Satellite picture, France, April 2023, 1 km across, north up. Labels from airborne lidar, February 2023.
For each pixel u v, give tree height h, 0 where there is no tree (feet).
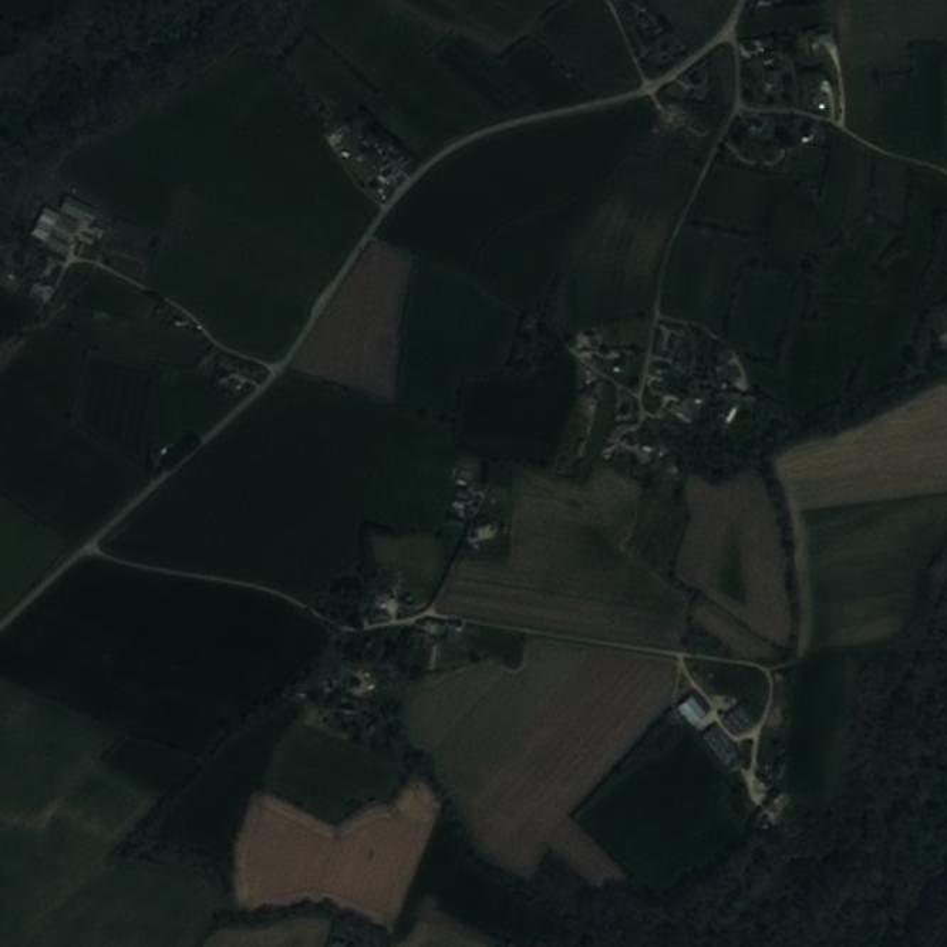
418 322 0
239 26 67
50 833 0
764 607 0
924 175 0
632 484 0
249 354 0
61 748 0
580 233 0
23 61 77
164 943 0
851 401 40
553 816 0
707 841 0
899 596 0
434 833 0
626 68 0
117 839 0
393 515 0
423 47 0
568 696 0
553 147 0
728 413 0
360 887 0
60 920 0
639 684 0
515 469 0
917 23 0
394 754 50
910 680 52
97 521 0
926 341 36
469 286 0
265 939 0
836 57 0
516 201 0
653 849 0
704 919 63
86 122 61
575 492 0
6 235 52
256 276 0
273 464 0
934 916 102
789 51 39
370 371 0
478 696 0
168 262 0
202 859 26
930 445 0
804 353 0
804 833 0
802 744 0
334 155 0
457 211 0
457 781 0
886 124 0
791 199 0
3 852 0
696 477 0
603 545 0
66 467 0
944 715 36
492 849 0
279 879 0
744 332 0
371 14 0
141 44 36
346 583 39
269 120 0
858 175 0
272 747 0
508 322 0
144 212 0
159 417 0
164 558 0
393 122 0
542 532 0
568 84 0
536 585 0
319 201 0
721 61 0
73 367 0
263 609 0
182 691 0
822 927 67
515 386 0
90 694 0
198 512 0
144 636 0
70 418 22
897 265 0
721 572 0
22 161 66
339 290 0
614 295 0
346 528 0
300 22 0
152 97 62
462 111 0
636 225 0
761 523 0
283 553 0
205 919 0
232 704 0
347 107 0
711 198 0
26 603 0
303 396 0
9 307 0
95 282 0
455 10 0
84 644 0
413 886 0
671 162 0
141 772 0
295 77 24
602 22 0
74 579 0
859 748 27
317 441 0
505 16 0
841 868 85
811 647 0
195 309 0
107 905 0
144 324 0
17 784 0
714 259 0
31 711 0
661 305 0
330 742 0
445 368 0
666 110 0
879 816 40
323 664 42
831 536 0
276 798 0
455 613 0
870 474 0
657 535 0
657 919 60
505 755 0
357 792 0
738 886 80
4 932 0
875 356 0
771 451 49
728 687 0
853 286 0
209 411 0
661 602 0
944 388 0
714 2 0
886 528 0
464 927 0
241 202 0
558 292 32
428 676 29
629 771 0
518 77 0
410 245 0
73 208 0
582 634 0
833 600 0
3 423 0
